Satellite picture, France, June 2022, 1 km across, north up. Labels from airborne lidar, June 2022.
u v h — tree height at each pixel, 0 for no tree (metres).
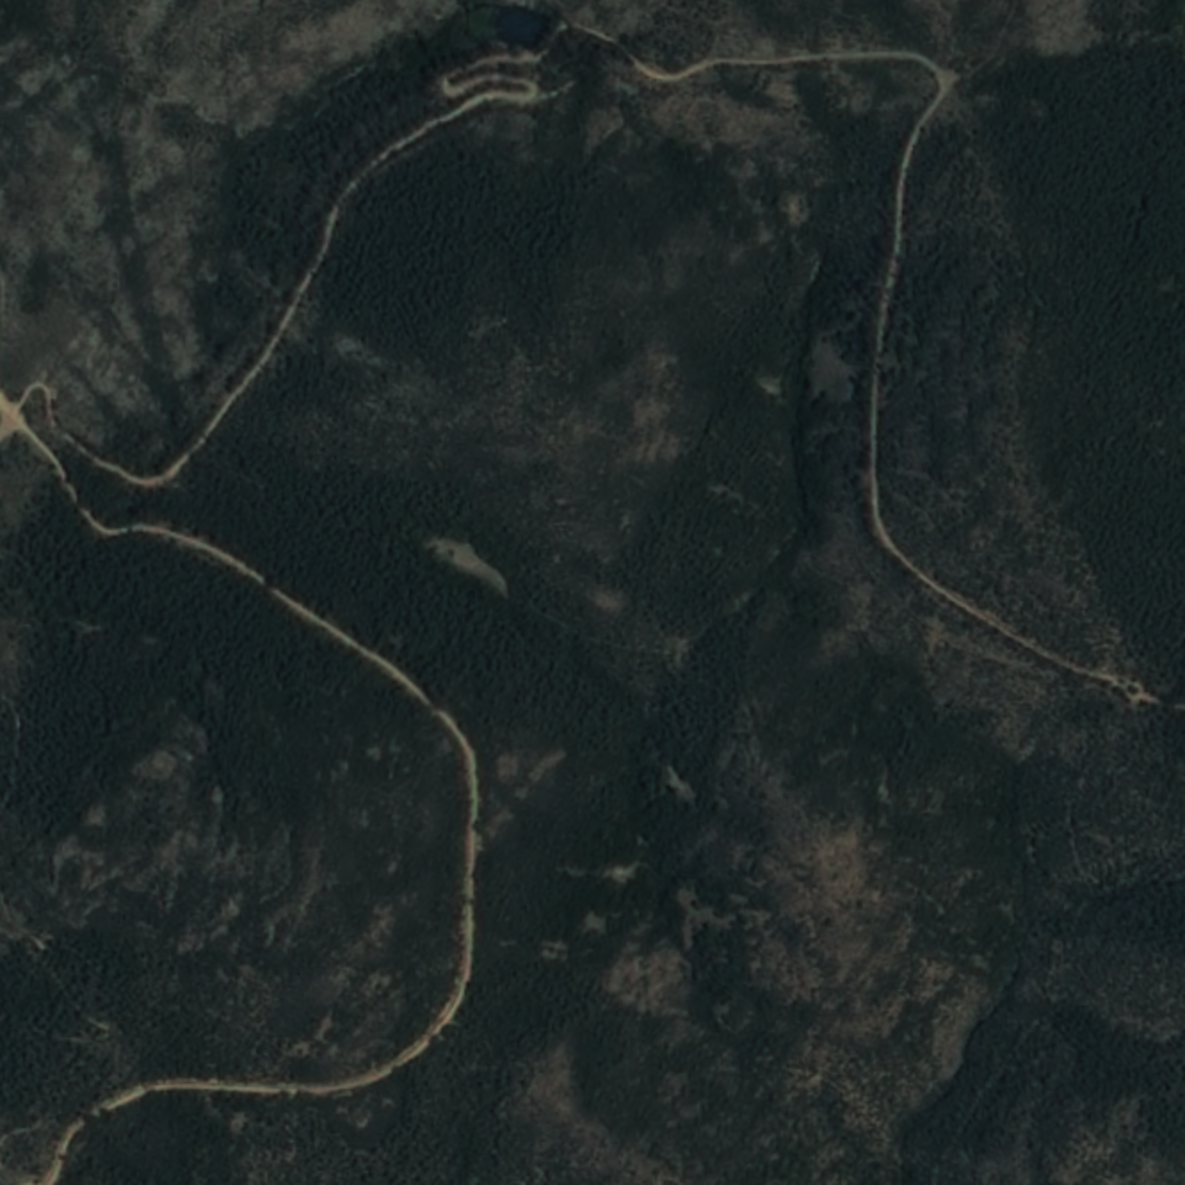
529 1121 0
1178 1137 10
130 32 0
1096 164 17
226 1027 6
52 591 12
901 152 11
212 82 0
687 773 10
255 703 6
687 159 7
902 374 7
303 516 14
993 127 6
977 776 7
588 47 15
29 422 9
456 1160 9
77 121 0
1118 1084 12
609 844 9
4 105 0
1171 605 12
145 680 15
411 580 15
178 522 16
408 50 8
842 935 0
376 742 6
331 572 14
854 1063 6
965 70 7
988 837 6
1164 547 11
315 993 0
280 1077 6
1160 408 12
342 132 15
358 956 0
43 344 0
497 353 8
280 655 13
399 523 7
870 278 18
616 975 0
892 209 10
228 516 14
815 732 6
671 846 10
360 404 6
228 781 10
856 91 0
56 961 12
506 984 10
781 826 0
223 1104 9
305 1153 10
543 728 8
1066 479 9
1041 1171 6
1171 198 17
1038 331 8
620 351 6
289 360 7
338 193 14
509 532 11
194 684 9
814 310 9
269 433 8
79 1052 11
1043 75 11
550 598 9
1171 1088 13
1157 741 10
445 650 13
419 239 9
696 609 9
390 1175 12
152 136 0
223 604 11
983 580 7
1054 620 8
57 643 7
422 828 6
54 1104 7
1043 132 14
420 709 11
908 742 13
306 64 0
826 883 0
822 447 7
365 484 11
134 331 0
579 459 0
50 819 10
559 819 7
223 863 0
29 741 9
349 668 14
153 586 14
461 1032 7
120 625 8
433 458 7
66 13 0
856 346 8
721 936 8
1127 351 12
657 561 12
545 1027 11
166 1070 10
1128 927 9
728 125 0
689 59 6
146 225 0
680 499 13
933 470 5
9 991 8
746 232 6
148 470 10
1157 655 13
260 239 13
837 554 0
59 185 0
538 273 12
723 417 11
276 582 15
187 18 0
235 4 0
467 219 6
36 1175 6
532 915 7
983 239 6
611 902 10
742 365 7
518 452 0
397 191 9
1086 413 7
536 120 6
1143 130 18
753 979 8
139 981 12
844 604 0
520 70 15
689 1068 6
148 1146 7
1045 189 13
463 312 7
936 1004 7
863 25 6
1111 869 6
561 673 13
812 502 12
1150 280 12
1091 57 8
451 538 10
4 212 0
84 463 11
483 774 8
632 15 0
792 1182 7
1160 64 10
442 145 11
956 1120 6
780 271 11
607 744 11
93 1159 10
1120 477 14
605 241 7
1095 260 13
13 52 0
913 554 6
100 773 10
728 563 10
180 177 0
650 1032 6
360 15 0
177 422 10
